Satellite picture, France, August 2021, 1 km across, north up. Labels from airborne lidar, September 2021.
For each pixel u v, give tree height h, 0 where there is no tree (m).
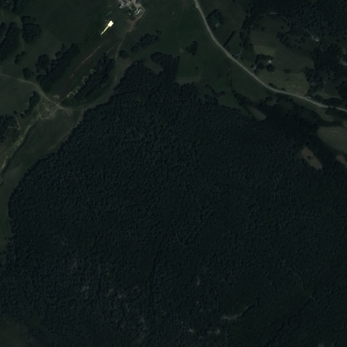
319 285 17
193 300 11
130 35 0
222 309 14
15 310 6
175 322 15
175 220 14
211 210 18
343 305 20
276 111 18
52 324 8
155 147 25
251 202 11
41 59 16
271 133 19
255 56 0
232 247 21
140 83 22
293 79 0
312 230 17
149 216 16
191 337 9
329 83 0
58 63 9
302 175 16
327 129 0
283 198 24
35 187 22
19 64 11
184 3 0
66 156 20
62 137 0
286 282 21
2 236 0
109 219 17
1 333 0
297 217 14
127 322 6
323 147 18
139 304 12
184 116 24
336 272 17
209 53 0
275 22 0
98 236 13
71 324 6
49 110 0
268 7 14
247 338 10
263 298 20
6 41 17
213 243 19
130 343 6
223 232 18
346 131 0
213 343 8
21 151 0
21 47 0
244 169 13
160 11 0
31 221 13
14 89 0
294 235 13
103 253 13
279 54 0
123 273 15
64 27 0
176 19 0
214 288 17
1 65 0
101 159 21
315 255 17
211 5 0
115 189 17
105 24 0
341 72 19
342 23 19
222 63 0
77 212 15
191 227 20
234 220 20
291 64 0
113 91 0
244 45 11
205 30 0
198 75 0
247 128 24
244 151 18
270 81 0
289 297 17
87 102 0
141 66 20
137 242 18
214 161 19
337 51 17
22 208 16
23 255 12
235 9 0
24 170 0
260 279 20
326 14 15
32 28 25
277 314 20
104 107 22
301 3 15
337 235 22
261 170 20
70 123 0
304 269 24
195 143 19
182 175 18
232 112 19
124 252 17
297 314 12
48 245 12
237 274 18
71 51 16
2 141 11
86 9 0
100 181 19
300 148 12
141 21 0
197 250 21
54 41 0
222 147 19
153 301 9
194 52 14
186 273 15
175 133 19
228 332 12
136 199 20
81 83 0
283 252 18
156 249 19
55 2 0
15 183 0
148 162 22
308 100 0
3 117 13
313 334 18
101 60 13
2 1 16
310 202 22
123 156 20
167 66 18
